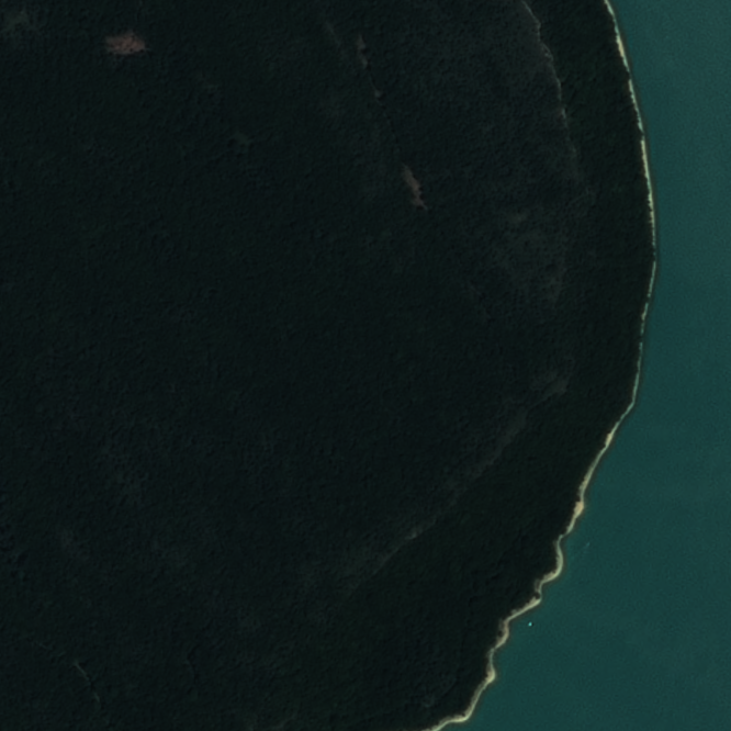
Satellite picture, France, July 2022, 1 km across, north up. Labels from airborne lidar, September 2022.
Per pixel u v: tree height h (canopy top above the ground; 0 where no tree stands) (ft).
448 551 51
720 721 0
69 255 57
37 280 40
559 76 40
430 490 37
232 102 39
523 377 44
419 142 41
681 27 0
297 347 40
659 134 0
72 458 49
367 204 34
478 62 32
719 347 0
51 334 55
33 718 83
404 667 66
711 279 0
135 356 39
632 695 0
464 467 48
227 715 44
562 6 67
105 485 47
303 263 42
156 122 37
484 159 35
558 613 0
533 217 28
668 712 0
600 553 0
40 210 55
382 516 34
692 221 0
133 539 35
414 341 44
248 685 52
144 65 54
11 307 48
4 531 94
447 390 49
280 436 49
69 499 54
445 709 50
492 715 0
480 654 45
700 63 0
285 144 38
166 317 41
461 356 41
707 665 0
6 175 60
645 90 0
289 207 62
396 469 69
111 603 39
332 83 32
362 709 56
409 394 39
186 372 47
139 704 48
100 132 40
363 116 29
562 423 60
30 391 41
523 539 45
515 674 0
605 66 51
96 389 47
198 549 61
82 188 45
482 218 32
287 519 35
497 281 43
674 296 0
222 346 55
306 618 47
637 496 0
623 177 79
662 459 0
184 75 60
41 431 43
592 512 0
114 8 37
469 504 67
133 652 27
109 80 44
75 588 37
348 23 42
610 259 57
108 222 49
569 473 57
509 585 63
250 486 48
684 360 0
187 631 63
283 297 31
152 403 52
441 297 38
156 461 41
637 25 0
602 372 61
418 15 44
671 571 0
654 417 0
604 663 0
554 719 0
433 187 41
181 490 44
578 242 38
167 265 43
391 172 28
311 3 36
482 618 61
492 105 34
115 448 41
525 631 0
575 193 34
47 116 50
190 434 72
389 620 57
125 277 40
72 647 46
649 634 0
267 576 40
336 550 41
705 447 0
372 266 30
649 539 0
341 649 50
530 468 63
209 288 43
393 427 40
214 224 34
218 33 33
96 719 62
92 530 60
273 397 55
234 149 57
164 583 51
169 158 43
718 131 0
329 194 34
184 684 67
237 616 38
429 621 57
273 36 26
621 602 0
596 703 0
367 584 51
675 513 0
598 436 58
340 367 42
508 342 52
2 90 39
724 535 0
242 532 63
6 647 68
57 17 38
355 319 39
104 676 69
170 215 41
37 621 55
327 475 49
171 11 39
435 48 28
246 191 56
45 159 36
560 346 28
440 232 53
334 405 39
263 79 39
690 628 0
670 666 0
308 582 20
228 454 68
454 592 59
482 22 30
